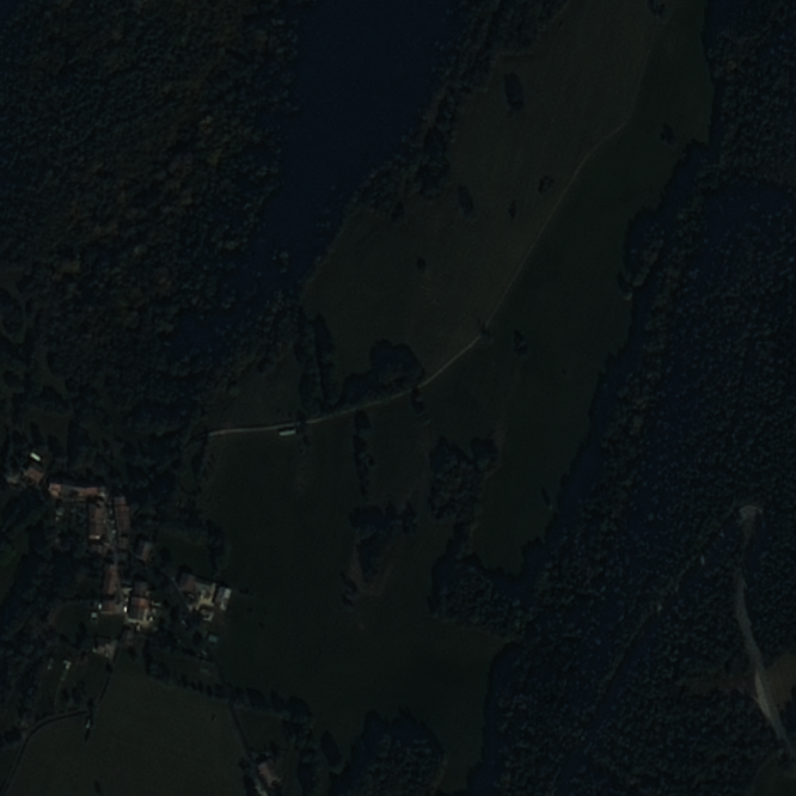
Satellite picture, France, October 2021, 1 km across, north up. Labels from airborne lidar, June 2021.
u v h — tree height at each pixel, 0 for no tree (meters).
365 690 0
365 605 0
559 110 0
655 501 15
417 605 0
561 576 21
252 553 0
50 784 0
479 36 17
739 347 19
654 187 0
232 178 34
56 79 17
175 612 7
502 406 0
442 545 0
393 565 0
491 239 0
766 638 17
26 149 9
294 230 17
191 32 16
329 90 23
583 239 0
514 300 0
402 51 19
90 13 20
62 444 0
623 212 0
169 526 22
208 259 29
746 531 20
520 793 17
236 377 10
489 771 0
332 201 15
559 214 0
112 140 14
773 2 25
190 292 30
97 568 9
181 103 22
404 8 20
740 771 8
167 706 0
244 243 30
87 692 15
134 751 0
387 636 0
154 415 16
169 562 13
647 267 19
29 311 10
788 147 6
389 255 0
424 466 0
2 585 0
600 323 0
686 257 21
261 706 16
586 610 27
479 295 0
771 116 8
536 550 0
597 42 0
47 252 17
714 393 20
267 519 0
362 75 22
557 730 13
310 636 0
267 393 0
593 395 0
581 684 11
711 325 18
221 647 0
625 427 23
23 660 15
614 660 16
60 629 0
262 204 27
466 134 0
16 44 17
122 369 28
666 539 13
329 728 0
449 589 24
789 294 20
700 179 21
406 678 0
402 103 15
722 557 21
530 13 18
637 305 0
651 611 14
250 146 23
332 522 0
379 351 0
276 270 21
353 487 0
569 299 0
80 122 14
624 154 0
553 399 0
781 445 18
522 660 24
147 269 26
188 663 0
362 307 0
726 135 20
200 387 13
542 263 0
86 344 22
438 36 14
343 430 0
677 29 0
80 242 19
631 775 13
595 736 14
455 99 14
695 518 18
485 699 0
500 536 0
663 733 12
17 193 25
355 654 0
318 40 23
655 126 0
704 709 14
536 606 21
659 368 17
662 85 0
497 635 12
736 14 26
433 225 0
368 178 15
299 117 27
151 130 14
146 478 10
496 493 0
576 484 0
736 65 22
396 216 15
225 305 34
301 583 0
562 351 0
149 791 0
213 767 0
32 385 16
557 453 0
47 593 12
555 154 0
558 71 0
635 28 0
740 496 20
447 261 0
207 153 33
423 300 0
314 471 0
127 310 20
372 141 22
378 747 22
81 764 0
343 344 0
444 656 0
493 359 0
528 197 0
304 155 29
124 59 15
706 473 22
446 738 0
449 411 0
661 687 15
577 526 28
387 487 0
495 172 0
